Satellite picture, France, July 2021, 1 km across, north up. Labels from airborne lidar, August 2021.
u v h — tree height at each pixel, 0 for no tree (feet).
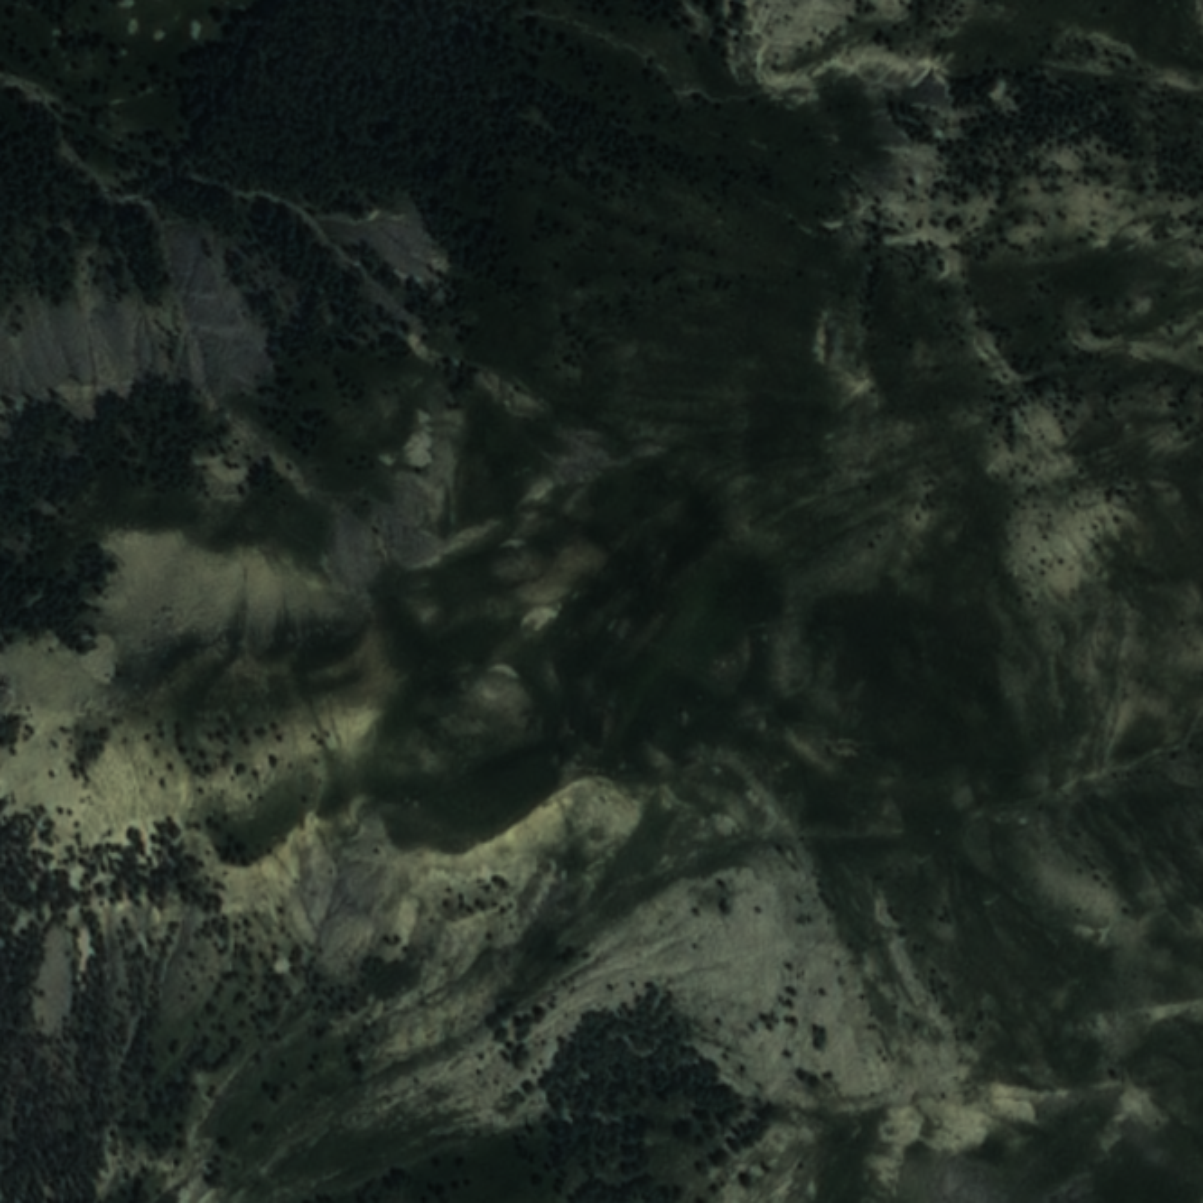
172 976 0
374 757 0
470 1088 0
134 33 0
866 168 0
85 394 0
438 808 0
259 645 0
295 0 91
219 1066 31
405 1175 57
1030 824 0
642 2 29
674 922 0
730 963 0
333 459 0
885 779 0
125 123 0
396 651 0
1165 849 0
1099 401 0
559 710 0
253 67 89
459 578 0
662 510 0
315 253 80
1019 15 0
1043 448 0
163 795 0
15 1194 33
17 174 53
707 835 0
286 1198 0
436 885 0
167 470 26
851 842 0
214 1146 0
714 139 0
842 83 0
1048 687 0
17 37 20
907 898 0
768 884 0
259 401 0
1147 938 0
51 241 38
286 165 95
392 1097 0
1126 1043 0
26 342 0
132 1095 35
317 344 59
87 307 0
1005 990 0
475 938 0
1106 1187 0
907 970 0
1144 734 0
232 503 0
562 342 0
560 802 0
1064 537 0
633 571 0
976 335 0
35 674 0
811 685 0
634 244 0
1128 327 0
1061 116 20
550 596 0
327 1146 0
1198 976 0
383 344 23
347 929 0
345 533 0
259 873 0
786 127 0
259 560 0
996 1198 0
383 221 0
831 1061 0
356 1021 0
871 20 0
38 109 27
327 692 0
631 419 0
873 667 0
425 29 97
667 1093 59
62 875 34
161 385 44
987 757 0
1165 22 0
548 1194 0
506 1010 49
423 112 70
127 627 0
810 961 0
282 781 0
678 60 0
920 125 20
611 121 32
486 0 67
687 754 0
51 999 0
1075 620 0
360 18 85
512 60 66
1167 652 0
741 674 0
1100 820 0
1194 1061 0
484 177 46
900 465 0
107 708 0
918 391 0
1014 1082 0
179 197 85
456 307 31
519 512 0
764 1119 42
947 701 0
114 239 61
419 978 0
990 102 24
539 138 24
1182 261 0
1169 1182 0
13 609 41
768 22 0
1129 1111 0
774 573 0
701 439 0
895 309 0
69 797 0
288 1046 0
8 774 0
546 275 0
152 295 40
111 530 0
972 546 0
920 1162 0
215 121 90
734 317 0
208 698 0
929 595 0
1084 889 0
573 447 0
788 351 0
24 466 69
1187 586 0
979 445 0
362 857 0
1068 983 0
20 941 33
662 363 0
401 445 0
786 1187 0
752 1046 0
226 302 0
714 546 0
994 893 0
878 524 0
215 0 0
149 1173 22
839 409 0
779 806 0
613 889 0
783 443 0
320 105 92
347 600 0
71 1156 43
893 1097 0
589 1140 44
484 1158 0
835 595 0
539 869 0
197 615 0
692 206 0
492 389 0
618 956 0
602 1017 32
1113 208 0
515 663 0
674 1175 0
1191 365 0
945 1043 0
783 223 0
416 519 0
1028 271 0
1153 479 0
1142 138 0
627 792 0
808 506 0
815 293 0
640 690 0
